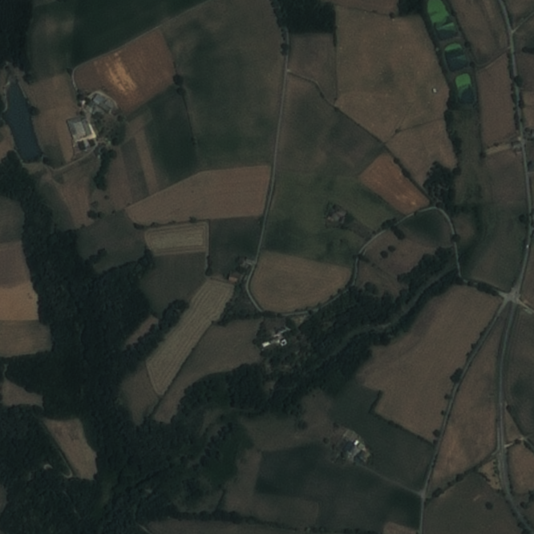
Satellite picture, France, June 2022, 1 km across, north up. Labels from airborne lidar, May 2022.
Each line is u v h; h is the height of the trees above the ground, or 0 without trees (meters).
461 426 0
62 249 25
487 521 0
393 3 0
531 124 0
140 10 0
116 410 24
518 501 0
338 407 0
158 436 14
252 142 0
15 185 27
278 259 0
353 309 14
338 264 0
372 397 0
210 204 0
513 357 0
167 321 15
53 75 0
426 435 0
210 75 0
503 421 0
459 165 7
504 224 0
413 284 14
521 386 0
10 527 14
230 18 0
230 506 0
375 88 0
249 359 0
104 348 22
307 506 0
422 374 0
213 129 0
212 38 0
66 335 26
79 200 0
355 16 0
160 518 16
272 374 8
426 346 0
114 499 7
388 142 0
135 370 13
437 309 0
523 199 0
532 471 0
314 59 0
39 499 20
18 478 16
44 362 10
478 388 0
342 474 0
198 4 0
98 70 0
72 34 0
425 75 0
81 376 18
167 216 0
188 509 0
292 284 0
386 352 0
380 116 0
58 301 21
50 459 12
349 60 0
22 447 22
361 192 0
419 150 0
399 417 0
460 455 0
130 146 0
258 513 0
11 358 7
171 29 0
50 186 0
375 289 15
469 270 0
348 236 0
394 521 0
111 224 0
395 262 0
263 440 0
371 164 0
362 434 0
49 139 0
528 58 0
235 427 11
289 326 12
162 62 0
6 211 0
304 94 0
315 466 0
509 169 0
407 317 14
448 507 0
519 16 0
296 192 0
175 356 0
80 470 0
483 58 0
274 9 13
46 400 11
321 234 0
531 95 0
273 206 0
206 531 0
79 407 13
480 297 0
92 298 28
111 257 0
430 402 0
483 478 13
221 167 0
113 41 0
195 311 0
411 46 0
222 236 0
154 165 0
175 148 0
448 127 12
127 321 20
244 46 0
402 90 0
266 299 0
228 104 0
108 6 0
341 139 0
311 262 0
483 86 0
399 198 0
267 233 0
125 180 0
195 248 0
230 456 0
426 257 15
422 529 0
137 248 0
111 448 22
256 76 0
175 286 0
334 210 9
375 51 0
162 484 15
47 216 20
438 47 9
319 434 0
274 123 0
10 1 22
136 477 8
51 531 16
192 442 14
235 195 0
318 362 13
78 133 0
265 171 0
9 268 0
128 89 0
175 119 0
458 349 0
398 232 12
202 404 17
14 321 0
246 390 21
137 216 0
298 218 0
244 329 0
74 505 17
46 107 0
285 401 15
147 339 17
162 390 0
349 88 0
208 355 0
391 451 0
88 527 25
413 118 0
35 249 18
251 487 0
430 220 0
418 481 0
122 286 18
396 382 0
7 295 0
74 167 0
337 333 23
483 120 0
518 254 0
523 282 0
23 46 10
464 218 0
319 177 0
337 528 0
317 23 12
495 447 0
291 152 0
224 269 0
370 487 0
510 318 0
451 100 12
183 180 0
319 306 8
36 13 0
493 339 0
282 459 0
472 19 0
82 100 7
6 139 0
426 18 10
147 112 0
